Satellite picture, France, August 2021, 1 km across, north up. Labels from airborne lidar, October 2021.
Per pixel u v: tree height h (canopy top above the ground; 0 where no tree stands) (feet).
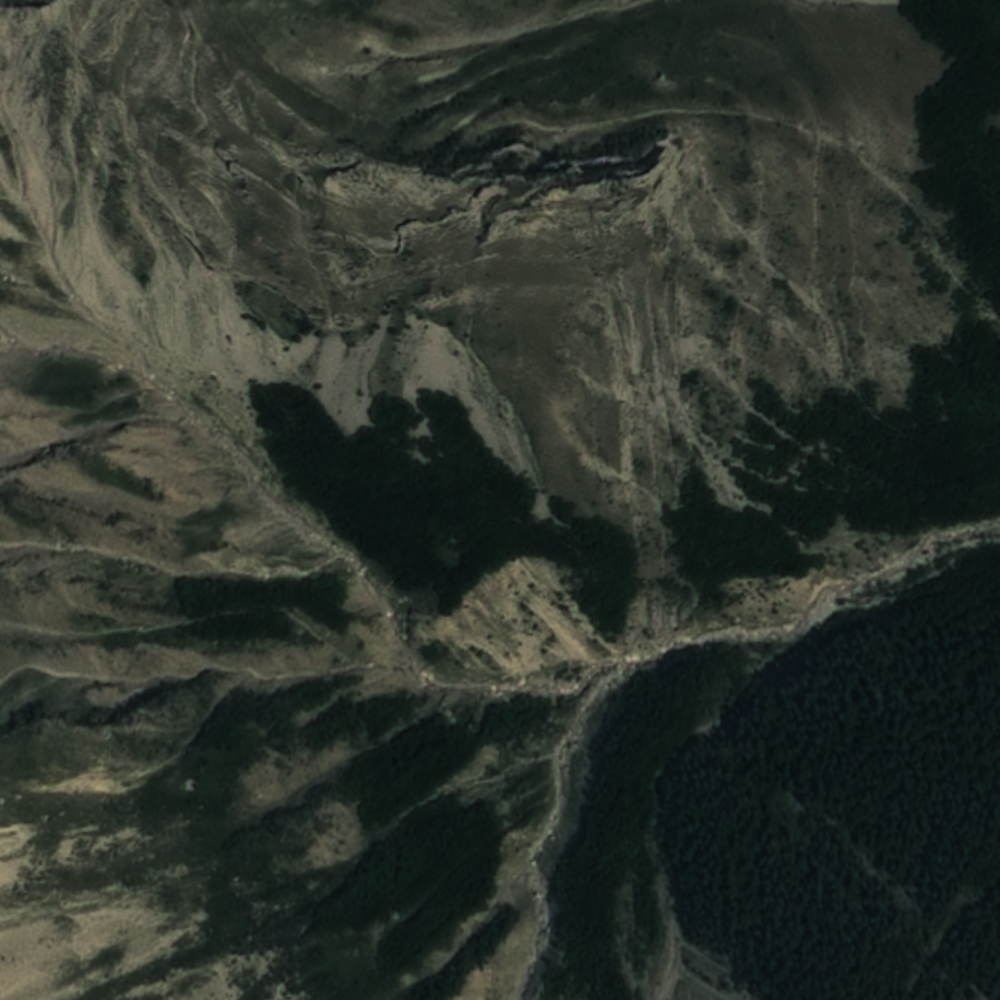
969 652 54
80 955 0
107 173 0
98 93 0
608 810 42
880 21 0
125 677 0
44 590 0
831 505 40
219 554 0
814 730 41
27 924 0
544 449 0
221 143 0
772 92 0
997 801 48
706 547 46
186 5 0
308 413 27
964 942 68
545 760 0
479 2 0
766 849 75
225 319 0
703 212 0
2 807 0
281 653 0
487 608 0
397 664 0
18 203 0
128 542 0
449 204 0
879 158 0
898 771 56
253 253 0
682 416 0
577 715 0
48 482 0
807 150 0
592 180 31
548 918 0
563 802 0
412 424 26
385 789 34
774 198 0
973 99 49
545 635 0
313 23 0
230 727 27
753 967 18
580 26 0
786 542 49
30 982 0
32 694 0
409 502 29
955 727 52
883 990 68
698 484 40
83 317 0
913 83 0
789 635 0
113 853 0
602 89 0
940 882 39
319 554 0
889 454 56
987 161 33
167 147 0
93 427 0
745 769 26
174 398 0
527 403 0
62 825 0
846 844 41
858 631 45
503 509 19
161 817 0
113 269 0
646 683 22
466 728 20
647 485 0
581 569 27
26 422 0
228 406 0
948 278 28
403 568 31
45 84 0
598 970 22
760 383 37
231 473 0
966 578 30
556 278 0
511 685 0
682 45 0
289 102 0
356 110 0
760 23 0
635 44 0
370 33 0
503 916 19
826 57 0
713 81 0
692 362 0
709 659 28
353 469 33
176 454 0
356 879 25
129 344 0
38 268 0
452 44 0
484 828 35
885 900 30
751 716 95
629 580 27
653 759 29
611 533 45
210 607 30
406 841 37
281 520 0
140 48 0
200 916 0
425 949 28
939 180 28
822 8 0
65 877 0
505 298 0
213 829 0
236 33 0
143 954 0
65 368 0
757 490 29
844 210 0
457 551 28
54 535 0
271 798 0
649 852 20
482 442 21
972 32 43
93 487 0
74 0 0
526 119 0
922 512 46
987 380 33
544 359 0
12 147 0
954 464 52
